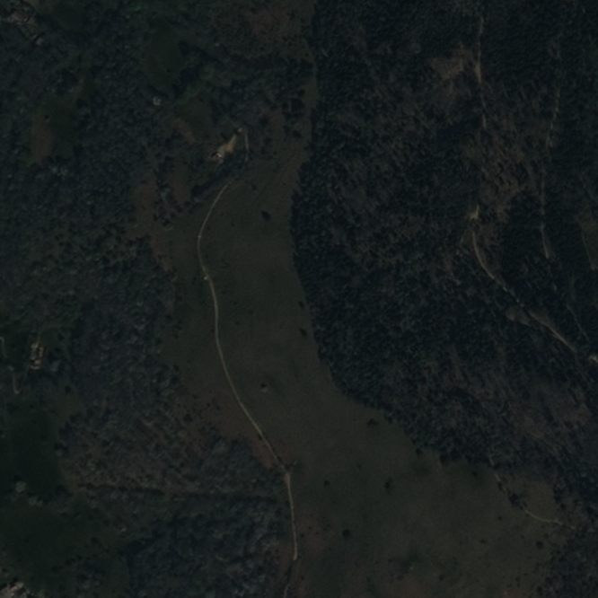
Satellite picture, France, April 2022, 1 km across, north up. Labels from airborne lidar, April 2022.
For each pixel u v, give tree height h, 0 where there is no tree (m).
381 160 10
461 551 0
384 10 22
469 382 16
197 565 18
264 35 7
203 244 0
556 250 18
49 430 0
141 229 0
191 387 0
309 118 0
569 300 29
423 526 0
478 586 0
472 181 19
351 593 0
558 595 11
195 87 27
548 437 13
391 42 20
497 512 0
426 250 24
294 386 0
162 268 12
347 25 17
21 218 22
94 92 0
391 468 0
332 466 0
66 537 0
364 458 0
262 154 10
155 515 22
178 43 0
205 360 0
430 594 0
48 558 0
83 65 8
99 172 27
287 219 0
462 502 0
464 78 9
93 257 12
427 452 0
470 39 19
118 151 24
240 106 26
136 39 29
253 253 0
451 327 32
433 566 0
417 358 12
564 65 27
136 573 27
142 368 17
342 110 14
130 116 18
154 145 21
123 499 10
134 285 23
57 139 0
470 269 34
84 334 27
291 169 0
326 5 17
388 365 17
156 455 16
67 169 20
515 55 25
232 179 14
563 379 28
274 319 0
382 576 0
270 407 0
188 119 0
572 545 11
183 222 0
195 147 0
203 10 19
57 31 35
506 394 28
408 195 17
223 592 24
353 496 0
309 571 0
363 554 0
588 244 6
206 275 0
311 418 0
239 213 0
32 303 10
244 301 0
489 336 34
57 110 0
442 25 21
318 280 14
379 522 0
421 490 0
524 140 7
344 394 10
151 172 16
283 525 7
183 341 0
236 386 0
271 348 0
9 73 23
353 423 0
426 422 13
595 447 17
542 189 13
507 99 27
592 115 27
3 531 0
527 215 8
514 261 8
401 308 17
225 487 17
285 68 20
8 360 0
